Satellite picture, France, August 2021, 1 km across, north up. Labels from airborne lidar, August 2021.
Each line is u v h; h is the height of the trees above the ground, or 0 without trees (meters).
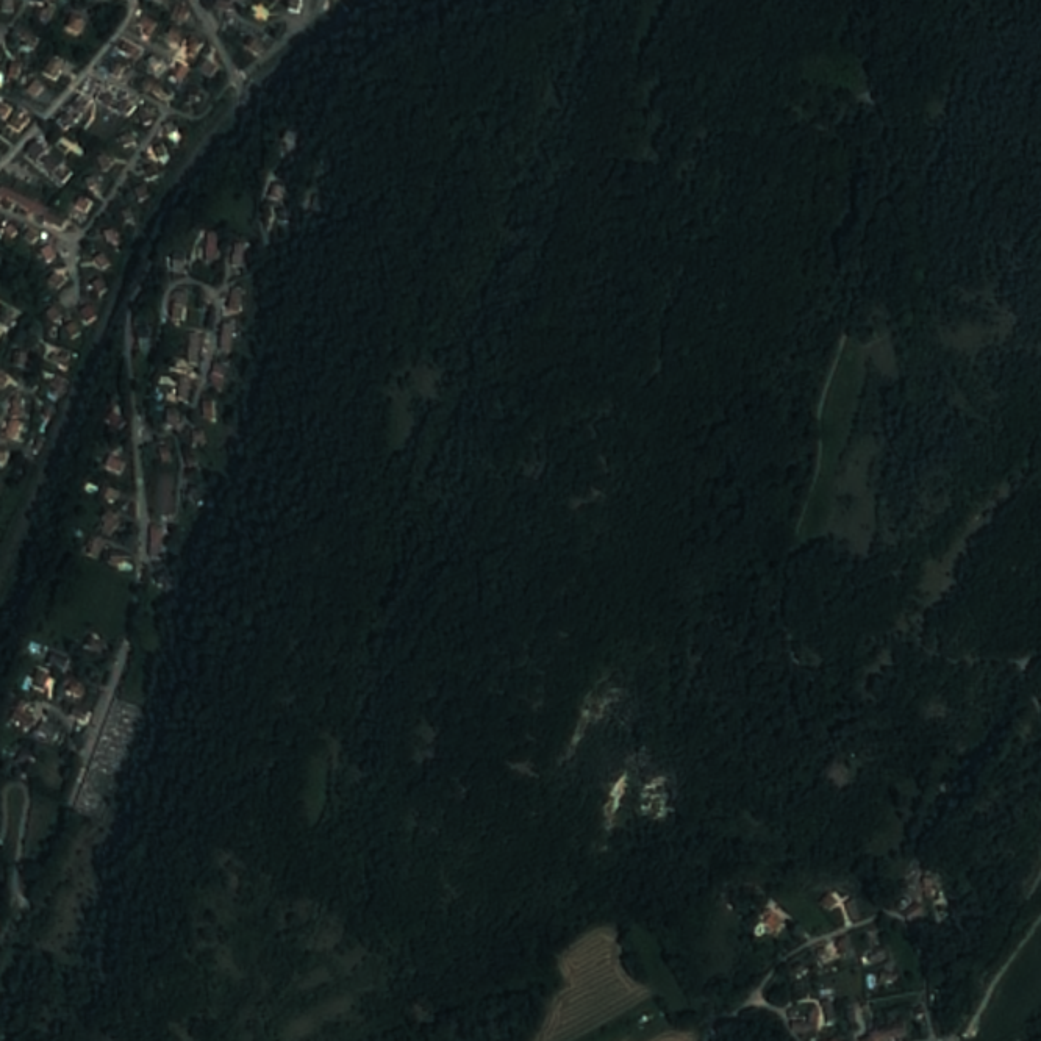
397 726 15
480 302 11
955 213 12
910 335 14
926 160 13
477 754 10
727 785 14
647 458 18
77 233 0
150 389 7
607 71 17
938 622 13
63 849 16
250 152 16
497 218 16
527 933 27
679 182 9
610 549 15
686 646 8
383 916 16
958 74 9
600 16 17
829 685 24
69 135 6
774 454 23
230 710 19
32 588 20
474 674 7
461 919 13
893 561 10
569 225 16
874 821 14
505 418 9
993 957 12
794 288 11
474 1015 21
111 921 13
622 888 18
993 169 15
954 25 18
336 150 9
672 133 13
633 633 13
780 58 8
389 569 9
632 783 9
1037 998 0
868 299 9
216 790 15
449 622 12
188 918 12
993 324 9
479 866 8
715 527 31
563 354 16
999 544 10
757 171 12
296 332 10
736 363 15
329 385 13
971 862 13
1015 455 12
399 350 10
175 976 8
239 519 15
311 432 16
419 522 12
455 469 8
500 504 11
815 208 8
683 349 15
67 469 19
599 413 7
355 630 15
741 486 25
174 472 0
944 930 21
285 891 9
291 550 13
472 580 12
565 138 10
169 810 17
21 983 17
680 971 13
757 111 12
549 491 12
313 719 10
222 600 20
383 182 16
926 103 10
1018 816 12
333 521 14
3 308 6
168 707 14
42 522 16
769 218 15
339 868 15
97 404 14
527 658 8
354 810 8
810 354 12
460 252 13
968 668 14
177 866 16
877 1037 0
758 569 24
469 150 13
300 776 13
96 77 0
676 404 18
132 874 24
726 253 10
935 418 13
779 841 6
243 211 0
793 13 11
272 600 14
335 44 24
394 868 12
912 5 16
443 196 7
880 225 15
